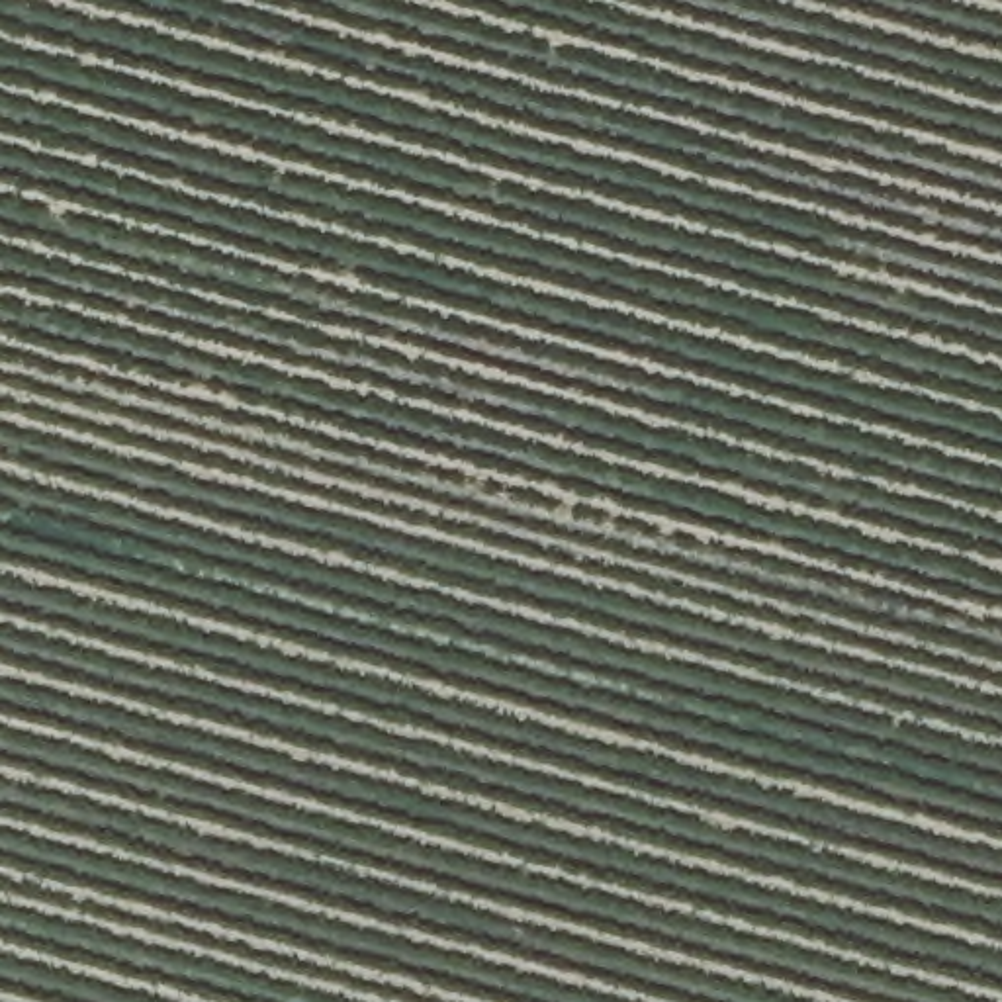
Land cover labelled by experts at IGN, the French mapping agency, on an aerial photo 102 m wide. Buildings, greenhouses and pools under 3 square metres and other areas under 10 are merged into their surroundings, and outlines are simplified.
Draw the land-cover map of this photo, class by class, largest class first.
<instances>
[{"label":"vineyard","instance_id":"1","mask_svg":"<svg viewBox=\"0 0 1002 1002\"><path fill-rule=\"evenodd\" d=\"M0 1002H1002V0H0Z\"/></svg>","mask_w":1002,"mask_h":1002}]
</instances>
